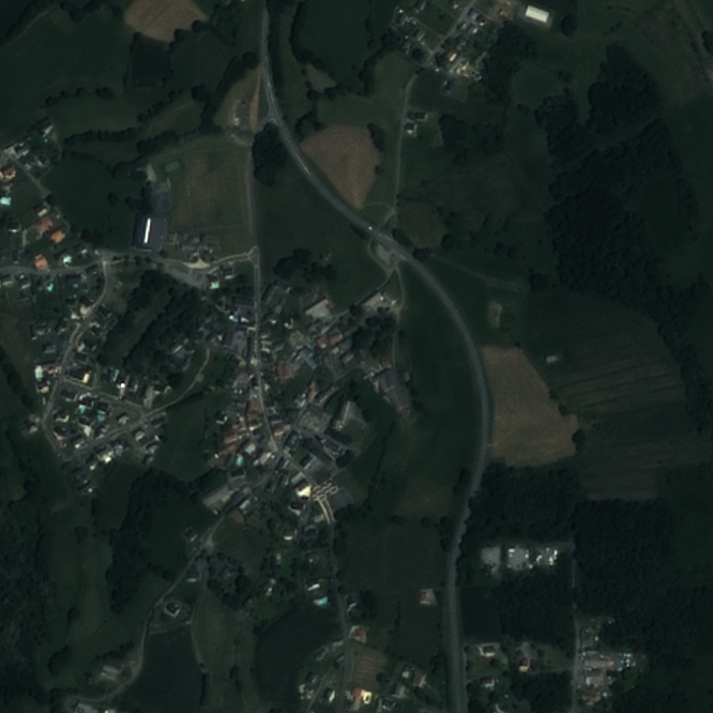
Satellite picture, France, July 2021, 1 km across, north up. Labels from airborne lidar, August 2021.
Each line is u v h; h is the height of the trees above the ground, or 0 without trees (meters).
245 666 0
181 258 0
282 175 0
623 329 0
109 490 0
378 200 0
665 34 0
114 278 0
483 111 0
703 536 0
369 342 12
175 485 21
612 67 8
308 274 11
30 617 18
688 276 0
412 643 0
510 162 0
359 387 13
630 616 17
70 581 0
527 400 0
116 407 0
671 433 0
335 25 0
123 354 0
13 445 9
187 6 0
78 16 21
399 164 0
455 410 0
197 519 0
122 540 10
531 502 9
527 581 12
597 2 0
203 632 0
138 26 0
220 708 0
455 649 0
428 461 0
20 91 0
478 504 29
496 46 12
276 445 0
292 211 0
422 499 0
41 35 0
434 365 0
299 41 16
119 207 0
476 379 0
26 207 0
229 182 0
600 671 0
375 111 0
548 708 18
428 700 10
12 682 29
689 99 0
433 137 0
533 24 0
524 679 9
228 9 7
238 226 0
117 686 0
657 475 0
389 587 0
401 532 0
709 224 0
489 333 0
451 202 0
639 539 22
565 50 0
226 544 0
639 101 29
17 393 13
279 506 15
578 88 0
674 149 24
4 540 21
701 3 0
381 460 6
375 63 12
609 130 27
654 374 0
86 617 0
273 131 21
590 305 0
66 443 0
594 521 26
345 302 0
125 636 0
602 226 26
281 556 0
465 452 0
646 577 16
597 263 18
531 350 0
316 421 0
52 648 0
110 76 0
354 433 0
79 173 0
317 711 0
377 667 0
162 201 0
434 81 0
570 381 0
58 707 15
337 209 0
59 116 0
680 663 12
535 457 0
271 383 5
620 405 0
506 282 0
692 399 6
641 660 0
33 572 19
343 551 15
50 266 0
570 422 0
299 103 0
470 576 12
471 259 0
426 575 0
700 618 15
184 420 0
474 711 17
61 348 0
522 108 16
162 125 0
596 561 29
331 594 6
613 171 24
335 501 0
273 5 20
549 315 0
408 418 0
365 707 0
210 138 0
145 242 0
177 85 0
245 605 16
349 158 0
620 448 0
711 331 0
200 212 0
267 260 0
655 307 24
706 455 0
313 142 0
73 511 0
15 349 0
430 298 0
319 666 0
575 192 7
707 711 0
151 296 15
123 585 21
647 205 0
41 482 16
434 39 0
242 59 8
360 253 0
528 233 0
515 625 13
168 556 0
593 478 0
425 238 0
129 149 0
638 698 12
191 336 17
